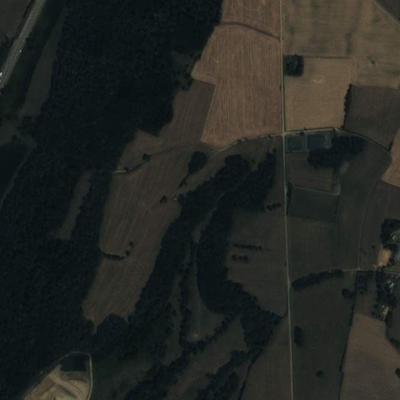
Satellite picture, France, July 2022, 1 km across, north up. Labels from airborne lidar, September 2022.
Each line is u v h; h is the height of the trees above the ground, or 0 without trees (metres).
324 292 0
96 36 23
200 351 18
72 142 21
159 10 29
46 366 18
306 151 0
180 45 17
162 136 0
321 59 0
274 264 0
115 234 0
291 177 0
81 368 6
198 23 25
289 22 0
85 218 21
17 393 20
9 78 0
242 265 0
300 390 0
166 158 0
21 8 0
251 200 24
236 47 0
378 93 0
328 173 0
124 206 0
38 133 26
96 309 0
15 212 25
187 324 18
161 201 8
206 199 27
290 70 9
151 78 23
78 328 21
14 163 0
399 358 0
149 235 0
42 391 0
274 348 0
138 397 32
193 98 0
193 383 0
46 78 0
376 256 0
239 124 0
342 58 0
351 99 12
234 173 22
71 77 26
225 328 22
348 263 0
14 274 22
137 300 0
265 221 0
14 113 0
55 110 29
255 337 12
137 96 10
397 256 0
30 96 0
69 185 24
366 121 0
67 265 23
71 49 31
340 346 0
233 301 24
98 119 17
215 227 23
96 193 21
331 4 0
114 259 11
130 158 0
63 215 23
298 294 0
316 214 0
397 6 0
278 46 0
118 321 25
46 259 26
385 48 0
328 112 0
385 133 0
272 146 0
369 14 0
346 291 14
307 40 0
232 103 0
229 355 0
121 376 0
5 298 22
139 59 23
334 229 0
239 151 0
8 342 30
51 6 0
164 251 18
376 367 0
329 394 0
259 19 0
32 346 11
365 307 0
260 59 0
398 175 0
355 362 0
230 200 23
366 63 0
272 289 0
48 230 29
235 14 0
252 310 26
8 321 26
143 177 0
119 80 21
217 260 21
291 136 0
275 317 14
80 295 16
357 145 16
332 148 0
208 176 0
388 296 7
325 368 0
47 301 21
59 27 0
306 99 0
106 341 23
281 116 0
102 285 0
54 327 20
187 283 13
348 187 0
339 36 0
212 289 22
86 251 20
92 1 24
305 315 0
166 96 6
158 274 16
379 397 0
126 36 29
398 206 0
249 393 0
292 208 0
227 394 16
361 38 0
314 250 0
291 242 0
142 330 17
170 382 28
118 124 19
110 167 18
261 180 24
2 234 26
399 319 0
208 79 0
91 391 0
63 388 0
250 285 0
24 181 25
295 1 0
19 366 28
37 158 25
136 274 0
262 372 0
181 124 0
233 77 0
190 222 23
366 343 0
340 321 0
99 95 14
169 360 0
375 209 0
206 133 0
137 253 0
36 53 0
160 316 17
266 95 0
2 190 0
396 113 0
